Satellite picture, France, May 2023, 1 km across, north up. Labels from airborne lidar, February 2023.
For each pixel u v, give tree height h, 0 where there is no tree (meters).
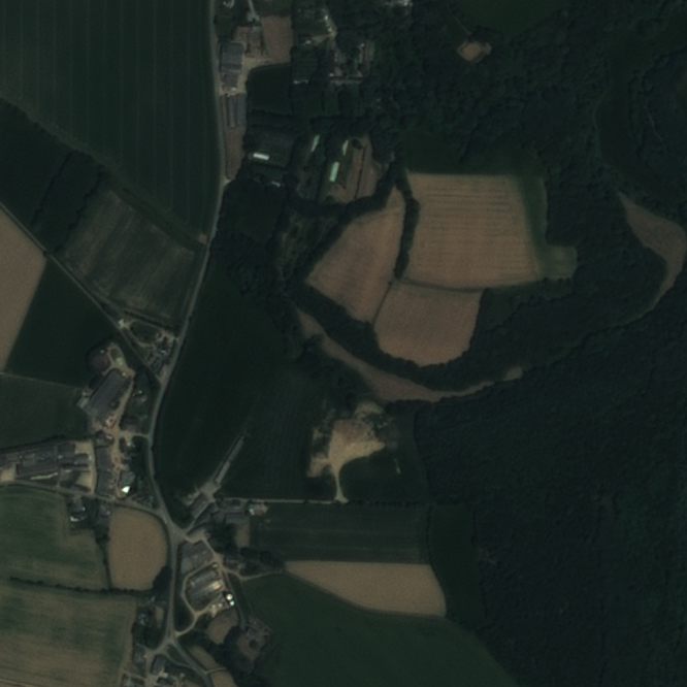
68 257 0
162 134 0
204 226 0
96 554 0
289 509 0
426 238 0
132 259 0
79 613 0
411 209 12
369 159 0
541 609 7
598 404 12
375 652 0
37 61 0
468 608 0
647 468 17
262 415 0
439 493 12
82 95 0
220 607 0
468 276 0
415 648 0
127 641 0
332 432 0
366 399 0
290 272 10
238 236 9
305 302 16
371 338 15
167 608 0
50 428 0
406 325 0
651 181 0
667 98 14
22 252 0
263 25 0
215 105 0
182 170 0
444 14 0
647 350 9
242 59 0
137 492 10
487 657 0
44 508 0
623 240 18
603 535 15
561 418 12
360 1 11
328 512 0
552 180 9
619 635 18
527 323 16
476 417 16
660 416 15
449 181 0
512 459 13
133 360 0
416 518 0
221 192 0
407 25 6
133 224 0
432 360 0
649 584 12
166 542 0
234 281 8
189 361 0
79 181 0
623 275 17
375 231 0
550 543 11
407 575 0
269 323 0
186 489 0
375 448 0
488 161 0
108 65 0
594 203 18
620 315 19
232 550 15
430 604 0
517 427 12
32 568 0
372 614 0
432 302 0
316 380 8
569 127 20
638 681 9
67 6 0
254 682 15
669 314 13
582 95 11
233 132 0
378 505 9
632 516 16
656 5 11
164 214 0
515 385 10
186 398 0
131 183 0
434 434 16
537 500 13
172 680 0
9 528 0
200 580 0
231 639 15
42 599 0
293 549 0
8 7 0
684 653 0
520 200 0
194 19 0
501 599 10
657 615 15
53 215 0
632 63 0
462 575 0
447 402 13
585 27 19
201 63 0
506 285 0
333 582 0
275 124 23
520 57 8
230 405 0
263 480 0
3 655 0
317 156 10
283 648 0
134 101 0
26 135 0
